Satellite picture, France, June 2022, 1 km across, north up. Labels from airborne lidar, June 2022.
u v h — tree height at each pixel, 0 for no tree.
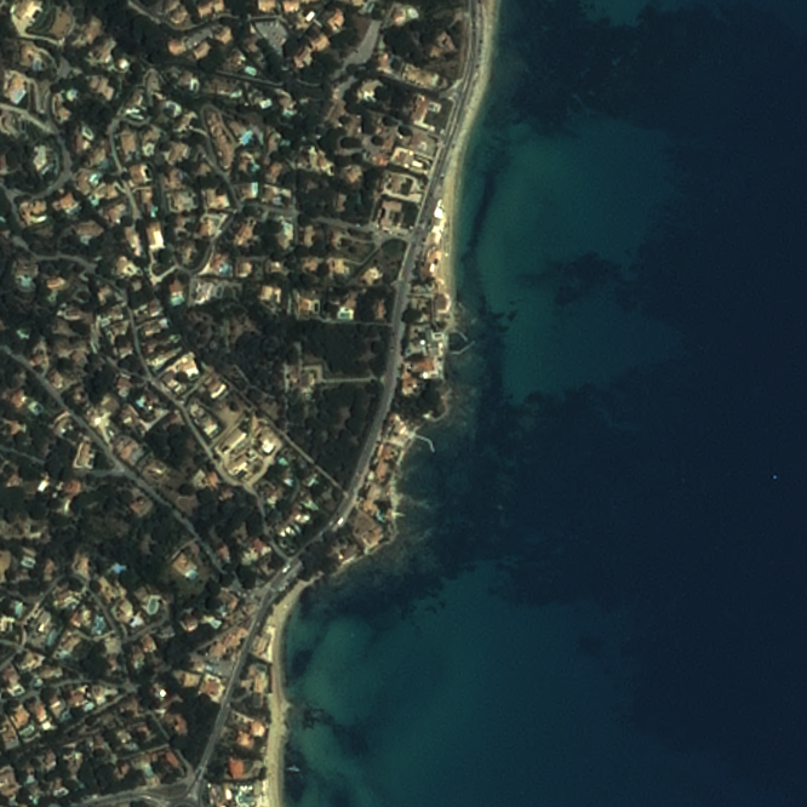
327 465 12
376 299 9
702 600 0
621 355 0
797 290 0
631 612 0
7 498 18
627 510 0
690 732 0
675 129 0
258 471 10
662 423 0
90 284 8
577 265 0
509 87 0
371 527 0
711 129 0
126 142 0
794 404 0
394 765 0
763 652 0
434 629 0
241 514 15
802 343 0
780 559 0
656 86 0
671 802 0
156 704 10
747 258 0
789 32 0
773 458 0
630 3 0
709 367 0
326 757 0
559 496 0
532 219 0
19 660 10
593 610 0
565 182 0
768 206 0
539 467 0
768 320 0
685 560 0
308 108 11
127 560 18
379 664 0
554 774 0
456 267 0
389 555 0
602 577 0
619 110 0
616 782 0
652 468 0
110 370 11
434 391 14
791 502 0
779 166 0
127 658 7
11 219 12
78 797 10
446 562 0
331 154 9
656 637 0
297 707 0
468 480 0
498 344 0
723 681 0
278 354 9
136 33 17
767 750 0
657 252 0
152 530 15
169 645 6
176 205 0
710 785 0
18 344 13
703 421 0
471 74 0
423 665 0
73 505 11
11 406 14
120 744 10
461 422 0
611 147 0
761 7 0
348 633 0
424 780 0
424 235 0
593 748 0
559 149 0
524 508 0
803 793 0
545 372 0
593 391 0
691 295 0
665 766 0
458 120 0
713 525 0
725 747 0
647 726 0
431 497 0
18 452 9
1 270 10
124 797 0
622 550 0
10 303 13
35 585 11
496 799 0
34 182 11
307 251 14
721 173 0
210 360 11
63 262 11
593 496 0
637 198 0
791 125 0
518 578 0
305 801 0
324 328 9
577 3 0
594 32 0
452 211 0
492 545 0
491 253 0
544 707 0
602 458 0
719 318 0
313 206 12
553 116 0
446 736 0
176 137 9
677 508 0
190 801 0
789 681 0
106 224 8
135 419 0
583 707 0
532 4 0
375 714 0
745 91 0
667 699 0
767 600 0
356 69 11
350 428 11
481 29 0
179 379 11
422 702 0
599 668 0
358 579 0
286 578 0
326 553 10
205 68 14
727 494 0
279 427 12
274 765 0
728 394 0
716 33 0
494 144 0
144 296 11
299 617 0
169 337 10
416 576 0
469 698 0
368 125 12
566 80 0
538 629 0
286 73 11
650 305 0
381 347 13
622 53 0
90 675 9
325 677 0
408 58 8
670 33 0
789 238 0
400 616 0
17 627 6
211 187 12
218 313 5
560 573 0
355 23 13
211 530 19
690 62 0
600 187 0
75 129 10
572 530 0
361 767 0
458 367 0
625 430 0
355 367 11
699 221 0
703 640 0
